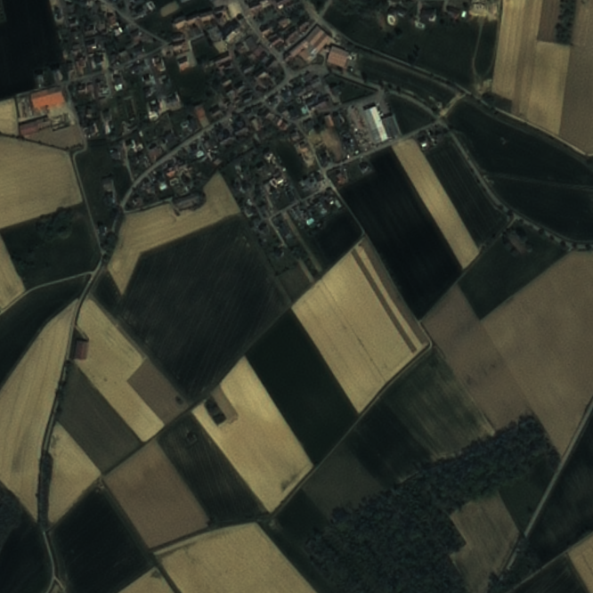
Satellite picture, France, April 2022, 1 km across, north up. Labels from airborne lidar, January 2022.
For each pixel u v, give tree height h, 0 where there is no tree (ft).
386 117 0
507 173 0
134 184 0
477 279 0
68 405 0
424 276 0
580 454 0
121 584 0
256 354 0
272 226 0
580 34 0
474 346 0
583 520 0
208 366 0
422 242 0
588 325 0
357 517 87
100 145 0
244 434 0
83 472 0
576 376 0
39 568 0
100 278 0
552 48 0
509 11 0
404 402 0
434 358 0
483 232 0
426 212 0
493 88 0
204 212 0
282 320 0
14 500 67
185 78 0
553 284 0
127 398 0
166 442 0
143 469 0
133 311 0
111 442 0
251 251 0
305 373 0
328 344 0
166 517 0
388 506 72
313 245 0
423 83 0
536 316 0
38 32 0
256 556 0
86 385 0
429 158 0
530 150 0
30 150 0
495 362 0
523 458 74
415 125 0
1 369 0
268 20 29
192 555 0
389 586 108
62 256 0
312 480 0
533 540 0
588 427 0
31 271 0
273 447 0
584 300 0
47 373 0
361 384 0
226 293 0
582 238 0
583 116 0
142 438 0
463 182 0
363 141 0
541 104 0
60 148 0
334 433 0
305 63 0
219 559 0
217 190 0
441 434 0
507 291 0
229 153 0
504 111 0
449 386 0
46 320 0
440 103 0
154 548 0
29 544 0
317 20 0
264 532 0
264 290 0
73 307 0
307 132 0
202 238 0
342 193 0
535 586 0
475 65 0
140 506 0
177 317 0
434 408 0
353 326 0
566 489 0
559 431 0
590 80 0
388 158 0
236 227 0
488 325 0
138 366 0
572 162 0
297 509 0
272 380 0
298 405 0
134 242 0
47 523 52
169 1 0
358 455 0
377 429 0
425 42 0
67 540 0
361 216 0
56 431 0
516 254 35
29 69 0
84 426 0
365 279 0
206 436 0
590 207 0
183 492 0
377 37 0
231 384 0
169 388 0
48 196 0
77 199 0
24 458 0
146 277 0
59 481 0
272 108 0
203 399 0
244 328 0
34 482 0
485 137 0
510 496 0
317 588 0
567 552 0
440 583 90
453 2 0
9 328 0
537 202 0
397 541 91
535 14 0
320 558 69
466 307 0
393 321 0
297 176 0
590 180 0
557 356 0
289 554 0
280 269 0
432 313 0
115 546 0
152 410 0
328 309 0
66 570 0
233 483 0
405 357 0
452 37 0
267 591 0
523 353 0
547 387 0
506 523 0
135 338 0
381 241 0
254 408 0
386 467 0
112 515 0
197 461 0
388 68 0
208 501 0
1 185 0
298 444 0
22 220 0
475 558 0
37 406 0
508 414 0
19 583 0
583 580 0
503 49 0
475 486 93
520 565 0
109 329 0
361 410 0
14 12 0
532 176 0
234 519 0
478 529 0
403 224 0
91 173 0
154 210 0
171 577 0
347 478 0
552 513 0
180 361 0
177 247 0
